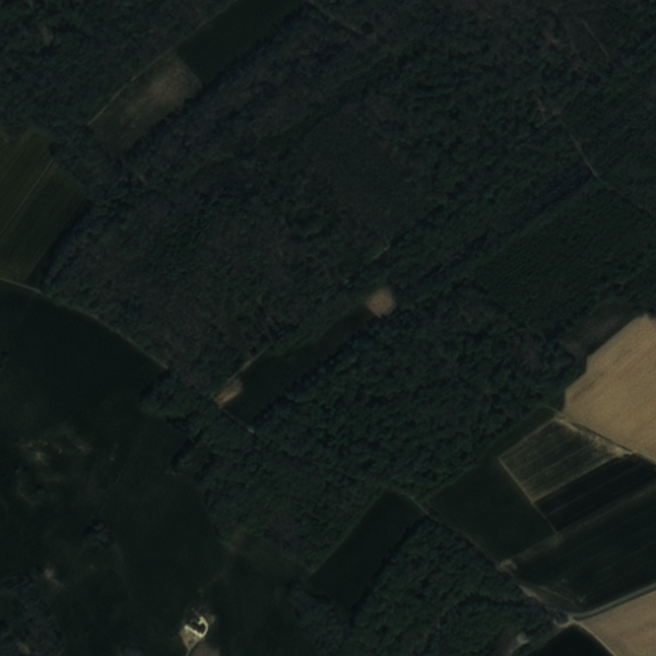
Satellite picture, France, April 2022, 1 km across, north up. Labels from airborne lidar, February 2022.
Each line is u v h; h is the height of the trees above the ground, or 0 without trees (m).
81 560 0
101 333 0
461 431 24
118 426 0
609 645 0
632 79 23
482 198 30
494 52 30
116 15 25
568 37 28
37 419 0
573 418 0
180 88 0
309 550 20
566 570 0
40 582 0
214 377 20
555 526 0
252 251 26
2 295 0
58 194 0
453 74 24
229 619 0
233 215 26
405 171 13
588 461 0
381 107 26
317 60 28
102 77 27
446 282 23
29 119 24
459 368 24
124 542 0
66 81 31
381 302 0
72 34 25
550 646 0
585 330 0
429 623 23
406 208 20
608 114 17
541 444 0
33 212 0
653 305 6
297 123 12
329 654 24
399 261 25
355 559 0
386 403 23
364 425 23
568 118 15
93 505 0
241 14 0
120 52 28
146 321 25
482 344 23
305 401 22
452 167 26
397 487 23
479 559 23
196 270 26
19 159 0
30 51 10
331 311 24
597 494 0
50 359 0
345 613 0
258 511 31
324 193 16
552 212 21
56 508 0
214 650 0
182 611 0
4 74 31
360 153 18
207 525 0
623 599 0
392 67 10
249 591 0
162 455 0
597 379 0
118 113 0
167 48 28
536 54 28
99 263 27
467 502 0
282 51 29
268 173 14
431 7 21
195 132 31
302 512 24
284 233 26
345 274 26
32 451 0
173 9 25
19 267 0
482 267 16
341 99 8
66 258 26
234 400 0
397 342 23
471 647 25
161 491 0
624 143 15
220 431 21
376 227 17
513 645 0
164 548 0
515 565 0
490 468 0
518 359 12
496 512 0
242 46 0
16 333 0
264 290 22
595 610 0
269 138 11
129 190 25
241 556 0
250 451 13
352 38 23
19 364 0
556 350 16
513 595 21
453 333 27
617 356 0
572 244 14
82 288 20
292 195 26
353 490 24
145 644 0
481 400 30
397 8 25
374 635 26
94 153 24
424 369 24
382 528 0
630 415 0
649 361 0
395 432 10
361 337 10
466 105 29
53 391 0
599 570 0
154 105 0
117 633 0
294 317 22
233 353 18
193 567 0
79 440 0
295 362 0
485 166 26
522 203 20
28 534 0
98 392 0
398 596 25
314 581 0
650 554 0
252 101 27
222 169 12
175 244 22
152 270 19
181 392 25
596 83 27
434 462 27
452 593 22
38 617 25
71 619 0
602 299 22
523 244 15
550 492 0
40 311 0
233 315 18
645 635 0
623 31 15
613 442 0
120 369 0
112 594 0
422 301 18
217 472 25
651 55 25
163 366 0
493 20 28
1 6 29
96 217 25
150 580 0
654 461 0
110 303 23
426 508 12
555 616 16
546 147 23
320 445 26
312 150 16
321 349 0
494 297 12
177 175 28
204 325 24
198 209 22
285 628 0
